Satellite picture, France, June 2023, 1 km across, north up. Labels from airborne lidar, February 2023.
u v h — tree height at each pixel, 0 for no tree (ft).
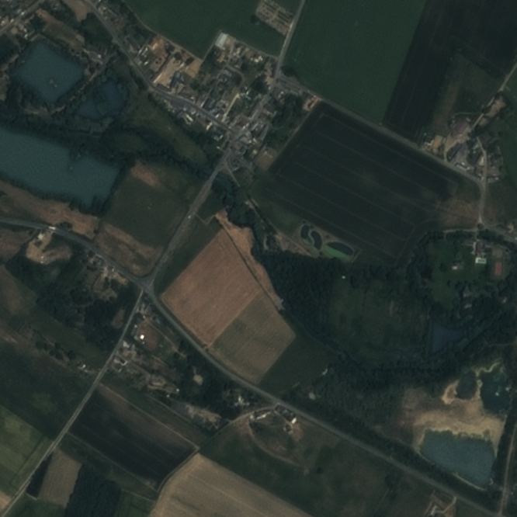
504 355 25
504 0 0
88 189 0
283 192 0
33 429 0
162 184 0
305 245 0
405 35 0
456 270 0
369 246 0
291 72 47
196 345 0
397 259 0
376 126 0
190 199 0
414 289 52
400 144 0
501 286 38
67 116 37
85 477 46
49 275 0
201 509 0
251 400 22
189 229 0
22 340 0
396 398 27
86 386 0
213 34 0
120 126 49
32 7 0
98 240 0
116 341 19
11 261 21
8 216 0
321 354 0
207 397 40
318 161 0
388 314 0
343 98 0
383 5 0
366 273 47
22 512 0
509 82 0
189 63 30
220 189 59
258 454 0
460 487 0
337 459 0
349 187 0
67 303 29
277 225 0
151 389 0
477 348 22
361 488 0
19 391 0
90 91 33
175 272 0
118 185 35
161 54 0
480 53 0
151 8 0
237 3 0
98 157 44
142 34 49
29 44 33
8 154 0
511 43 0
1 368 0
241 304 0
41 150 0
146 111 0
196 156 0
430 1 0
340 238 0
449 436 0
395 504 0
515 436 0
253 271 0
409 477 0
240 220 65
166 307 0
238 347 0
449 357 51
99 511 62
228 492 0
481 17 0
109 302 32
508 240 0
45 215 0
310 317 45
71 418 0
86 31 22
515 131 0
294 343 0
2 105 34
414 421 0
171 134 0
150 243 0
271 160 0
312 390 22
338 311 0
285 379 0
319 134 0
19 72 0
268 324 0
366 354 0
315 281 37
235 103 0
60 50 26
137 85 39
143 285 0
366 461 0
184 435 0
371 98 0
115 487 65
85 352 0
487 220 0
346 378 28
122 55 33
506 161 0
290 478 0
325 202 0
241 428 0
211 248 0
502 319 42
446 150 0
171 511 0
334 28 0
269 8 0
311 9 0
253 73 0
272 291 0
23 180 0
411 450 26
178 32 0
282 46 0
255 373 0
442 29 0
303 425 0
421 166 0
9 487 0
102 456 0
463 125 0
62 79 0
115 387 0
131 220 0
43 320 0
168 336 0
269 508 0
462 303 48
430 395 0
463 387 0
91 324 33
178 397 20
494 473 25
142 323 0
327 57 0
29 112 0
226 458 0
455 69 0
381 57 0
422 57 0
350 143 0
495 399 0
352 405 25
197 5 0
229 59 0
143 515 0
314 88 0
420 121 0
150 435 0
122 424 0
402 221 0
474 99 0
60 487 0
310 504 0
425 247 43
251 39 0
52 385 0
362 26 0
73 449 0
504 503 0
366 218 0
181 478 0
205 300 0
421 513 0
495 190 0
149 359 0
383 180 0
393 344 0
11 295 0
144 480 0
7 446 0
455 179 0
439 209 0
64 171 0
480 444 0
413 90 0
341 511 0
